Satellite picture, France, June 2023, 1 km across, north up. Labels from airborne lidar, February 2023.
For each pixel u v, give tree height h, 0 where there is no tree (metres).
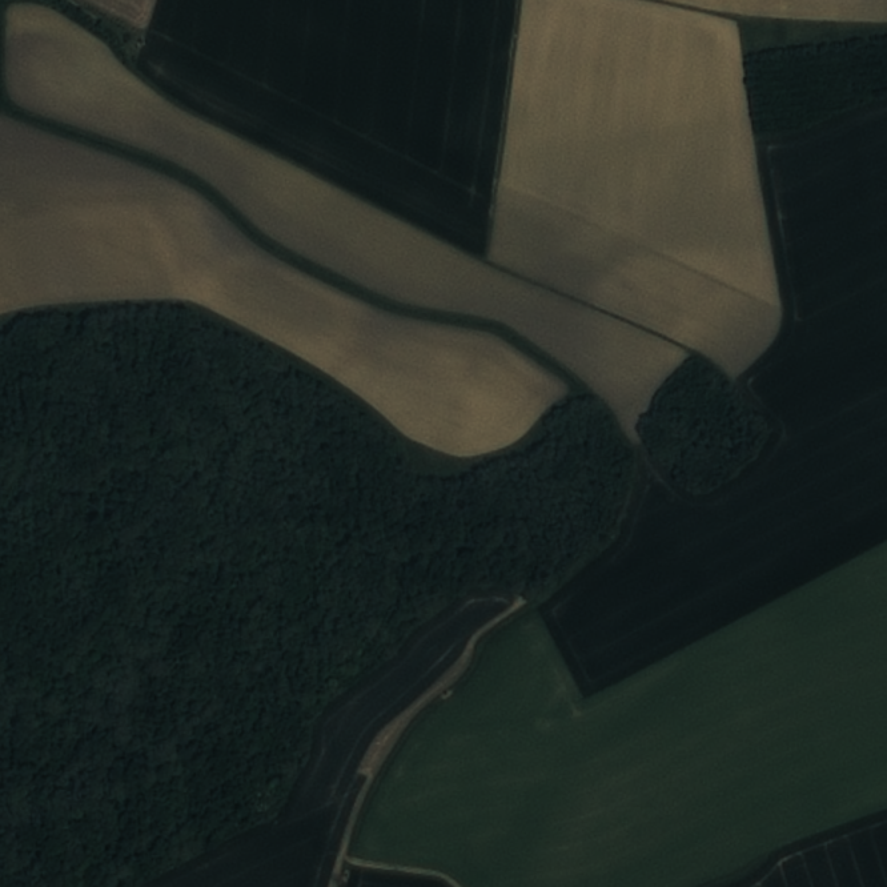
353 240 0
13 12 0
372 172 0
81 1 0
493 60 0
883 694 0
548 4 0
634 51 0
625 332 0
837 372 0
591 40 0
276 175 0
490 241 0
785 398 0
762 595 0
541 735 0
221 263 0
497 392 0
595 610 0
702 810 0
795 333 0
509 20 0
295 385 24
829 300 0
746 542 0
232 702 8
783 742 0
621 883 0
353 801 0
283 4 0
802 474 0
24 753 19
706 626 0
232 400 24
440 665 0
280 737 9
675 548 0
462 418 0
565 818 0
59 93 0
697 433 10
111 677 16
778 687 0
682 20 0
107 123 0
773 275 0
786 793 0
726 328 0
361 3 0
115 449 25
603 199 0
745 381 0
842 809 0
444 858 0
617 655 0
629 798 0
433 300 0
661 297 0
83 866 23
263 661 11
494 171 0
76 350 23
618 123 0
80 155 0
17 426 25
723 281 0
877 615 0
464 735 0
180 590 21
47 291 0
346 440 24
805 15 0
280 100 0
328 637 24
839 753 0
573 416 17
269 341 0
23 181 0
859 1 0
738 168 0
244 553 23
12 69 0
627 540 0
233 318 0
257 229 0
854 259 0
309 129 0
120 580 20
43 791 19
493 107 0
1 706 23
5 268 0
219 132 0
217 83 0
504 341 0
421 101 0
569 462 23
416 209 0
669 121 0
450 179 0
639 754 0
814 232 0
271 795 6
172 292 0
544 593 17
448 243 0
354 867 0
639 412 0
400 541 24
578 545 21
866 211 0
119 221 0
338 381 0
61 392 24
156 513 26
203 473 17
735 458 20
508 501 23
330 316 0
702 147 0
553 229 0
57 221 0
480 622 0
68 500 24
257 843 0
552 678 0
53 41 0
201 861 0
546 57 0
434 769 0
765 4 0
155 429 23
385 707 0
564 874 0
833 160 0
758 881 0
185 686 8
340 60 0
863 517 0
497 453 0
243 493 25
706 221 0
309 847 0
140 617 21
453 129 0
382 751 0
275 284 0
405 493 23
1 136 0
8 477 20
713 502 0
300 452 25
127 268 0
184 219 0
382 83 0
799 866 0
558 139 0
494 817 0
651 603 0
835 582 0
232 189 0
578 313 0
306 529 27
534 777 0
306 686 7
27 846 24
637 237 0
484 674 0
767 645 0
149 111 0
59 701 19
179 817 14
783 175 0
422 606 20
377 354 0
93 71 0
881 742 0
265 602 21
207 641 22
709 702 0
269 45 0
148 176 0
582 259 0
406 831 0
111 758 21
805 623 0
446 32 0
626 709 0
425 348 0
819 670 0
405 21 0
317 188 0
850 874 0
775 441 0
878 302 0
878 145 0
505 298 0
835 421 0
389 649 14
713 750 0
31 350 25
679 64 0
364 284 0
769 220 0
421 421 0
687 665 0
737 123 0
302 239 0
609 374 0
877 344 0
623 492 14
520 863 0
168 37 0
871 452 0
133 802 13
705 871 0
